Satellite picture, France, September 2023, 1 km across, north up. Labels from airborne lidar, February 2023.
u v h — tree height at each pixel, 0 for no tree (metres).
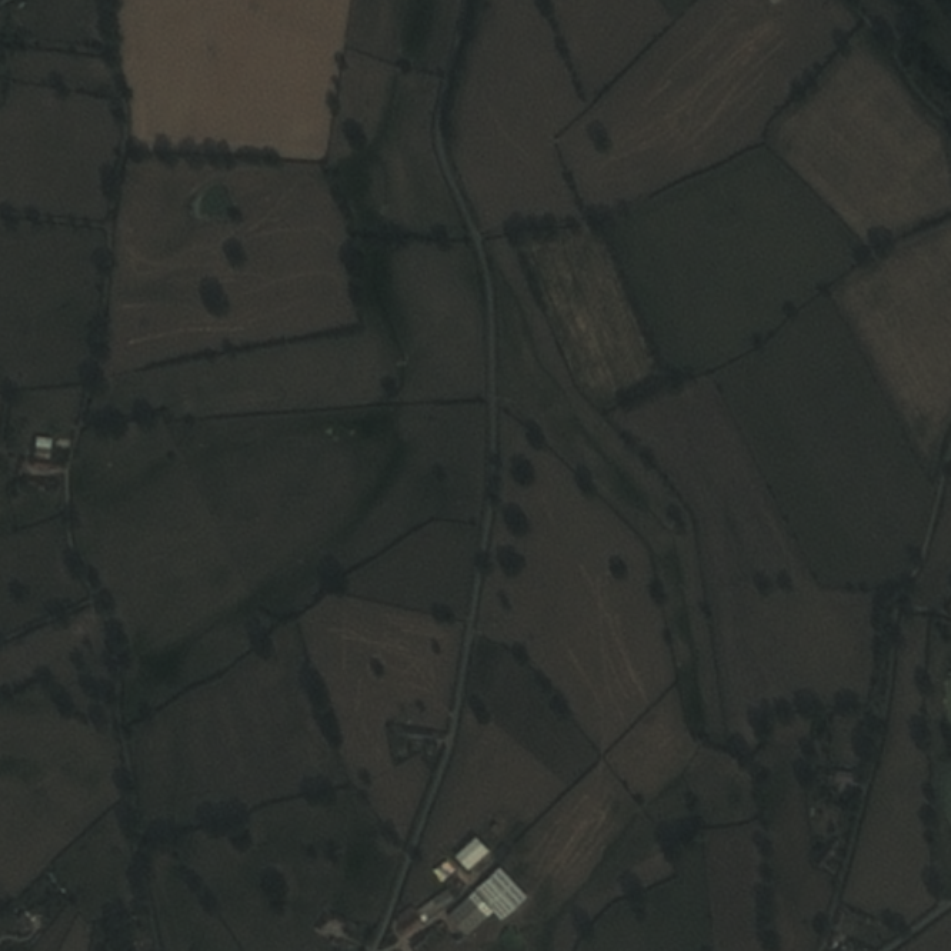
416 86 0
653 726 0
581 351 0
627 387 0
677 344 0
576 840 0
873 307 0
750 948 0
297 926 0
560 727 0
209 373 0
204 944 0
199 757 0
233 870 0
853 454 0
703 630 0
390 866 0
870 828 0
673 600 0
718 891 0
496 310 0
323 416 0
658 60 0
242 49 0
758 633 0
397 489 0
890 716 0
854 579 0
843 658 0
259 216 0
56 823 0
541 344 0
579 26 0
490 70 0
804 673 0
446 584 0
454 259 0
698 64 0
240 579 0
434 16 0
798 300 0
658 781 0
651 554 0
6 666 0
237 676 0
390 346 0
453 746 0
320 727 19
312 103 0
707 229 0
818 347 0
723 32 0
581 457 0
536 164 0
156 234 0
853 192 0
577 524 0
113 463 0
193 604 0
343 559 0
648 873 0
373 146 0
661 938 0
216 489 0
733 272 0
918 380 0
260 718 0
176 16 0
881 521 0
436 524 0
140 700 0
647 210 0
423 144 0
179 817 0
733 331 0
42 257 0
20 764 0
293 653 0
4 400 11
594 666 0
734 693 0
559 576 0
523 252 0
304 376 0
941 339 0
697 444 0
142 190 0
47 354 0
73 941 0
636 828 0
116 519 0
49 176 0
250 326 0
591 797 0
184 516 0
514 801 0
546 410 0
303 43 0
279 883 14
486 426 0
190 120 0
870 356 0
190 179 0
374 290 0
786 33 0
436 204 0
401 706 0
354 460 0
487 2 0
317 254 0
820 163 0
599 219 18
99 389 19
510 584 0
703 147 0
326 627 0
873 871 0
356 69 0
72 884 0
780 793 0
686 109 0
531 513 0
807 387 0
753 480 0
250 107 0
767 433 0
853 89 0
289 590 0
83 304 0
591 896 0
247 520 0
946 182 0
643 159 0
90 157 0
